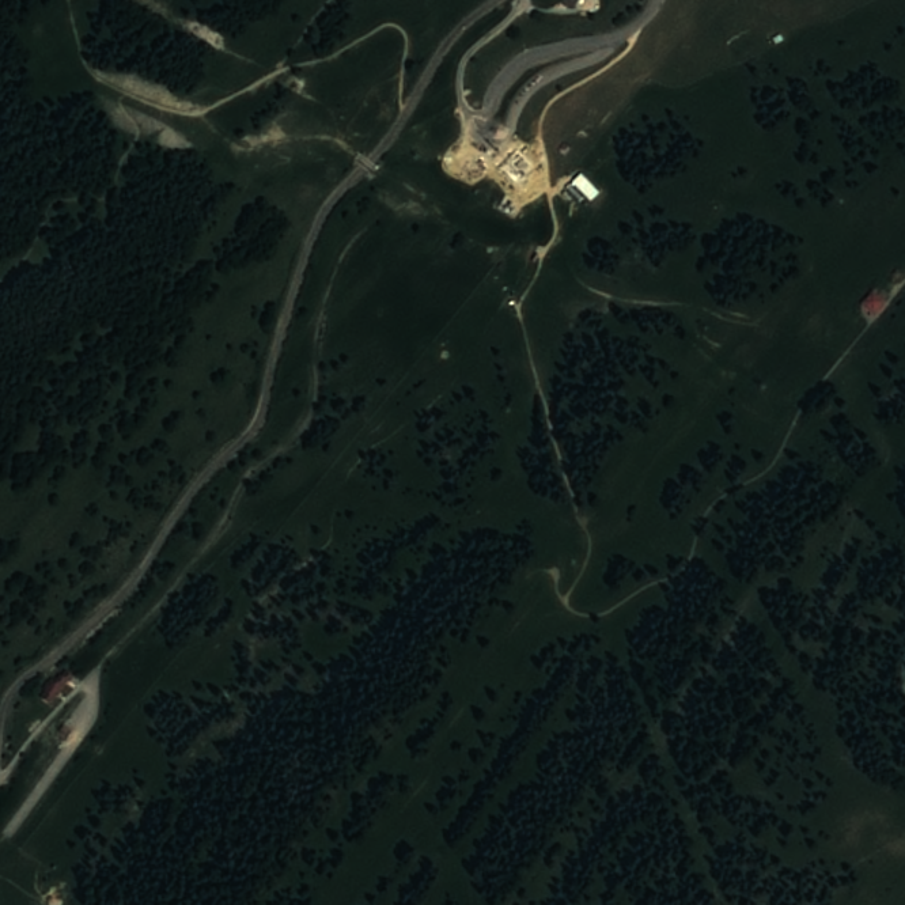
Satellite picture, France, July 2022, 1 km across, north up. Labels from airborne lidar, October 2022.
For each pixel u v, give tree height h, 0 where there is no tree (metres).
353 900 0
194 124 0
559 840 0
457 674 0
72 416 24
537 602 0
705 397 0
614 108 0
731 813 18
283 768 27
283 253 0
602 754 13
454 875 0
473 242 0
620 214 0
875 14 0
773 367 0
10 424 17
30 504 0
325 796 16
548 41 0
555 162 0
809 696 0
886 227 0
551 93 0
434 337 0
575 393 21
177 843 16
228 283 0
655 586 0
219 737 0
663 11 0
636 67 0
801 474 15
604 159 0
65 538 0
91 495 0
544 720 22
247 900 21
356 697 18
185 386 0
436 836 0
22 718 0
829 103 0
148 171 18
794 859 0
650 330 24
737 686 18
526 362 0
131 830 7
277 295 0
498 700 21
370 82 0
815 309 0
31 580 16
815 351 0
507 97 0
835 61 0
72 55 0
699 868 0
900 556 13
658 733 0
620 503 0
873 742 22
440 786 0
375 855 0
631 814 9
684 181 0
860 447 28
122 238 20
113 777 0
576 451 27
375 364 0
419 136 0
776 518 11
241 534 0
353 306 0
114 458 0
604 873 22
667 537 0
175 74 16
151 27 21
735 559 13
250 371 0
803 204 21
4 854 0
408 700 26
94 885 17
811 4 0
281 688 0
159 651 0
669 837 22
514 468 0
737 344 0
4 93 15
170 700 25
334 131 0
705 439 0
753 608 0
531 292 0
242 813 21
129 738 0
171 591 0
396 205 0
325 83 0
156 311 16
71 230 18
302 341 0
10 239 22
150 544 0
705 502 0
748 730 16
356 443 0
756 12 0
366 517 0
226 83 0
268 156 0
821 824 0
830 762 0
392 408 0
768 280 0
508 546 23
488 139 0
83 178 23
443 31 0
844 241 0
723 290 18
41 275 26
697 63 0
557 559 0
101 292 24
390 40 0
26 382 22
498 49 0
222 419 0
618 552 0
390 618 14
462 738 0
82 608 15
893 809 0
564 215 0
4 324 20
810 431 0
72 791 0
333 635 19
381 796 26
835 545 0
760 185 0
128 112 0
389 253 0
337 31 19
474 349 0
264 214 14
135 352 17
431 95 0
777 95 21
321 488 0
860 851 0
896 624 0
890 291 0
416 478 0
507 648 0
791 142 0
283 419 0
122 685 0
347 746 25
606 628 0
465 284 0
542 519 0
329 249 0
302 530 0
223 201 13
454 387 0
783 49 0
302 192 0
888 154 0
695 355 0
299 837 23
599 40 0
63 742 0
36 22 0
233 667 0
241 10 17
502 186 0
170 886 16
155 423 0
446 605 22
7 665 0
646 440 0
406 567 0
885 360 0
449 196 0
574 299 0
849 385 0
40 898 0
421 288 0
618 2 0
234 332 0
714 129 0
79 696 0
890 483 0
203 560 0
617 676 19
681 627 22
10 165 17
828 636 19
